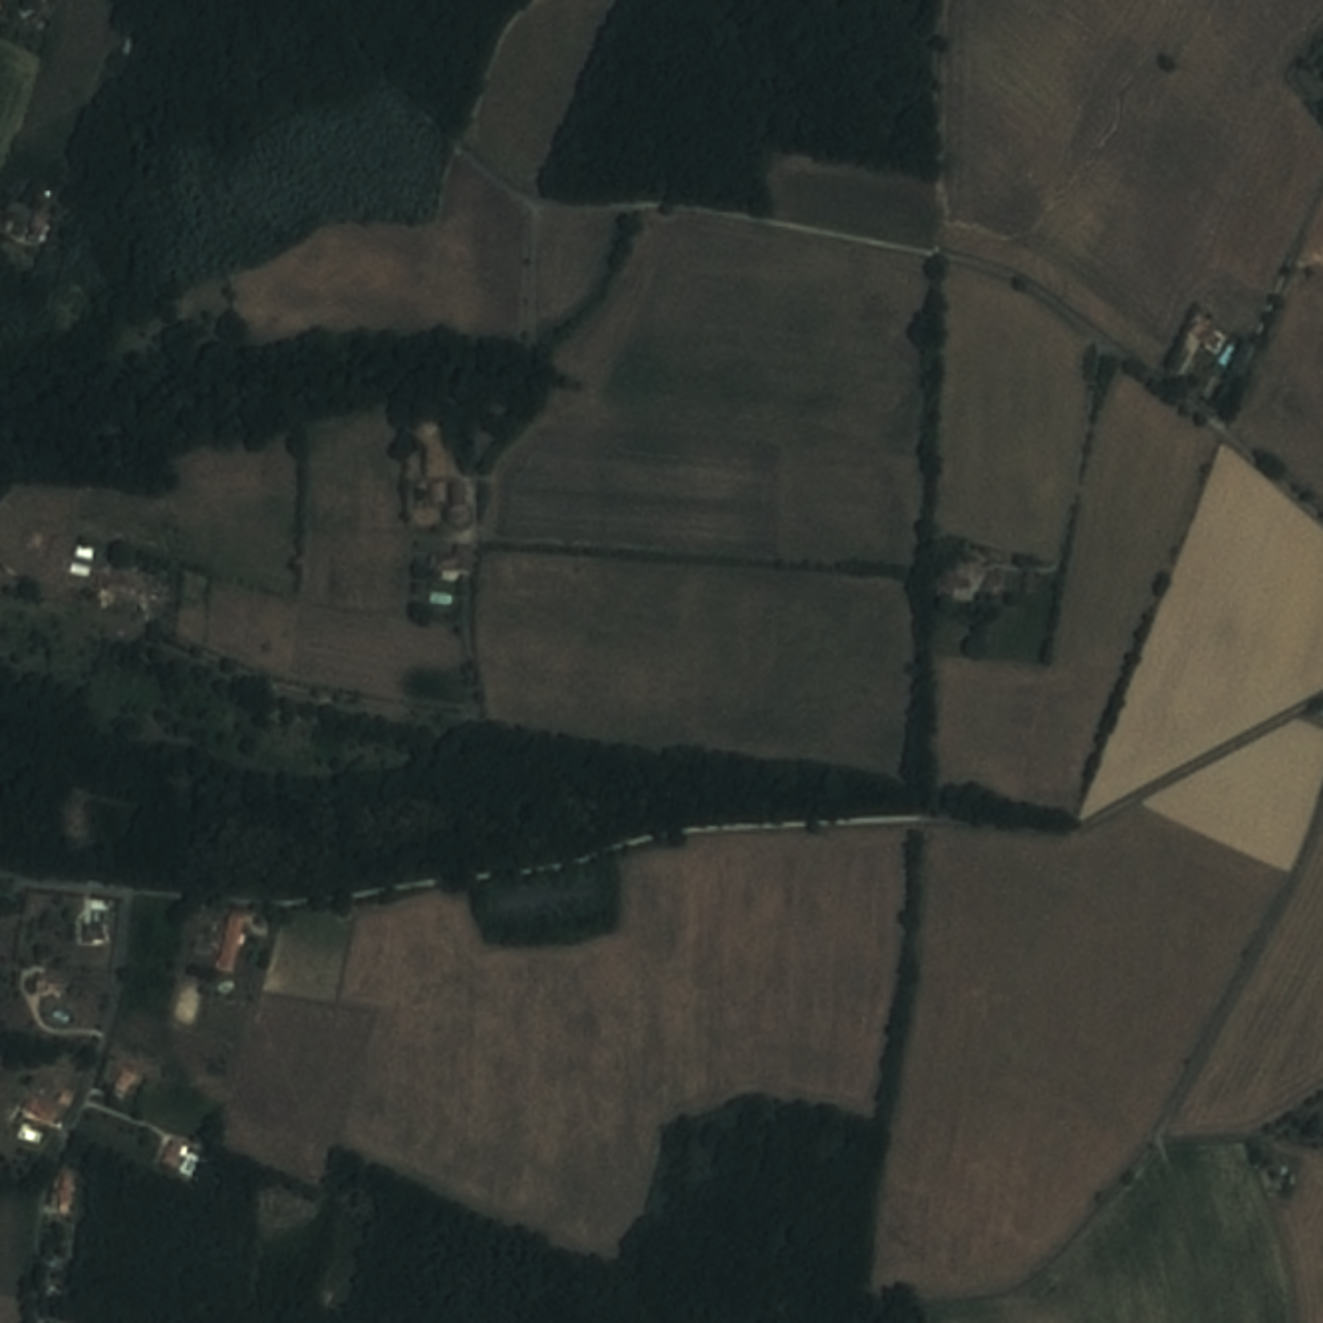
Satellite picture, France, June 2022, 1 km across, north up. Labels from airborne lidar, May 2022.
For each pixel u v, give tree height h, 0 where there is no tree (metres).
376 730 12
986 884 0
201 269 9
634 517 0
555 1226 0
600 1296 13
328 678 0
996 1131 0
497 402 17
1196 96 0
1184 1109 0
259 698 14
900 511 0
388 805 20
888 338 0
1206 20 0
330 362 17
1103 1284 0
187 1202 16
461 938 0
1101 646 0
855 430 0
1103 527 0
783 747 0
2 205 10
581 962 0
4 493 10
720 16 22
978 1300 0
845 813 11
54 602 0
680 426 0
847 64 20
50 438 24
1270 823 0
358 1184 13
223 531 0
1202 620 0
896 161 11
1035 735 0
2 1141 0
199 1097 0
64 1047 10
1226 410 17
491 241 0
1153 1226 0
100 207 25
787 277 0
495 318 0
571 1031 0
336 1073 0
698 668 0
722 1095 0
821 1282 15
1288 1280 0
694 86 27
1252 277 0
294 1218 0
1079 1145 0
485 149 0
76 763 20
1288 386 0
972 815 17
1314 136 0
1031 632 0
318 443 0
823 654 0
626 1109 0
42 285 10
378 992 0
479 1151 0
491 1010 0
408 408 13
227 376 24
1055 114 0
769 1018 0
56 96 0
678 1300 11
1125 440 0
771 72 21
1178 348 10
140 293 15
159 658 12
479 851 14
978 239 0
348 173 11
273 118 9
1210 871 0
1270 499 0
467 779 24
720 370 0
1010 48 0
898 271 0
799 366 0
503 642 0
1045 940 0
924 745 13
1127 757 0
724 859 0
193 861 14
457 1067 0
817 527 0
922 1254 0
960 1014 0
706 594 0
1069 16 0
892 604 0
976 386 0
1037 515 0
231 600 0
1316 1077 0
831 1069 0
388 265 0
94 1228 12
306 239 12
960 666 0
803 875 0
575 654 0
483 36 14
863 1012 0
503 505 0
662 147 21
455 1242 17
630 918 0
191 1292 16
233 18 8
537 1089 0
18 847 12
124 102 23
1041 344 0
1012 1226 0
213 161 8
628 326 0
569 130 15
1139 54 0
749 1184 13
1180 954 0
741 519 0
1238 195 0
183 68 22
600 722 0
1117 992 0
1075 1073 0
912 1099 0
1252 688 0
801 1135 11
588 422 0
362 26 17
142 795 15
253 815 24
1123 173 0
